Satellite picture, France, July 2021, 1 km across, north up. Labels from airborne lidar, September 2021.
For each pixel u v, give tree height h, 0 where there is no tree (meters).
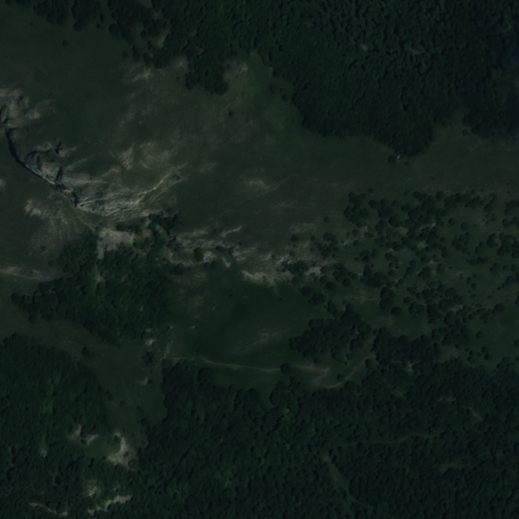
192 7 27
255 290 0
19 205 0
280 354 0
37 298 17
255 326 0
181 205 0
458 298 12
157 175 0
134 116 0
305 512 31
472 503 23
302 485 28
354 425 33
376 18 32
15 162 0
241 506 28
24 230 0
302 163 0
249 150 0
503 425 7
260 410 26
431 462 27
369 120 21
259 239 0
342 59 27
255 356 0
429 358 22
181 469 22
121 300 19
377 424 7
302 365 0
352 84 29
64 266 13
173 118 0
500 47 8
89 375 17
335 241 12
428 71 7
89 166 0
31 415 26
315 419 19
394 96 30
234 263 0
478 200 10
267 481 29
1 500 15
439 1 28
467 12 20
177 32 19
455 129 0
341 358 29
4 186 0
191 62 7
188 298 0
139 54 10
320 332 21
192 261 0
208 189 0
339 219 0
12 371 27
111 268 17
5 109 0
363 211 11
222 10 26
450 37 10
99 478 10
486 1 19
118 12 11
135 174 0
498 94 29
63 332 0
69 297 25
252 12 27
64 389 27
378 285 21
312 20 33
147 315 7
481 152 0
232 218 0
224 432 23
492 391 13
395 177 0
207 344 0
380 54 30
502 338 0
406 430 31
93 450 0
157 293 19
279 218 0
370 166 0
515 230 0
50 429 21
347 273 22
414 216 19
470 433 21
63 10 15
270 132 0
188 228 0
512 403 18
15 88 0
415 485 26
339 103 25
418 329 0
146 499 17
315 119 20
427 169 0
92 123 0
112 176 0
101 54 0
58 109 0
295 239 17
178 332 0
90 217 0
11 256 0
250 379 0
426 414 9
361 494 28
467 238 14
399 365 11
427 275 15
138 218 0
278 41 22
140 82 0
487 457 10
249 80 0
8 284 0
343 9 25
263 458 8
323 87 24
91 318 23
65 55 0
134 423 0
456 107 7
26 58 0
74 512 15
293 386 18
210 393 27
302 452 29
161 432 24
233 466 22
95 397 24
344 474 29
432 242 20
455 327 22
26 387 29
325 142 0
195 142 0
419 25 31
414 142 14
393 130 22
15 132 0
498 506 30
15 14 0
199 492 22
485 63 7
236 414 26
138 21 13
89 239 13
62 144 0
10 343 22
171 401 20
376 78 24
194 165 0
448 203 18
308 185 0
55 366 30
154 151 0
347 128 16
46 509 21
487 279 0
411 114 22
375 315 0
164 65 9
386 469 27
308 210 0
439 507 16
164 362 10
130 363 0
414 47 24
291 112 0
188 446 29
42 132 0
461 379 22
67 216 0
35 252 0
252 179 0
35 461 23
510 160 0
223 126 0
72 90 0
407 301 20
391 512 17
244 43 14
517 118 17
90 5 20
